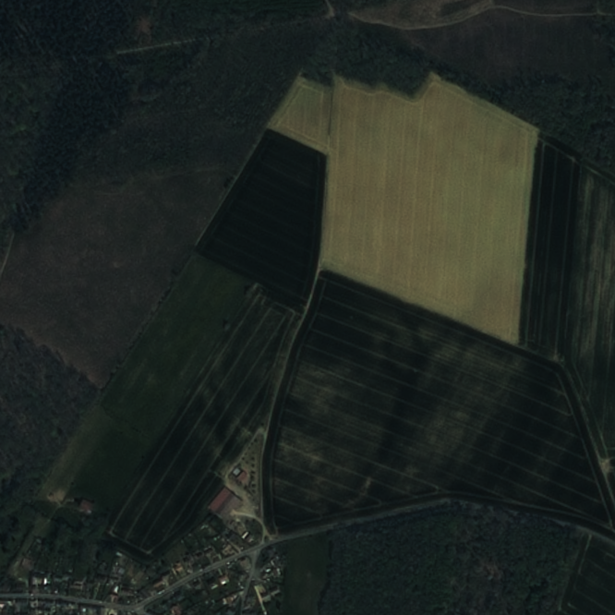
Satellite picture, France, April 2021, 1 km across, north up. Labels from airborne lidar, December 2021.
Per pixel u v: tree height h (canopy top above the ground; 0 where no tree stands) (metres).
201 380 0
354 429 0
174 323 0
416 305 0
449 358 0
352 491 0
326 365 0
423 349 0
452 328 0
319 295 0
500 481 0
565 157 0
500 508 0
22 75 25
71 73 28
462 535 18
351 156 0
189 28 29
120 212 0
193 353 0
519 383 0
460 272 0
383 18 0
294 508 0
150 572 12
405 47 0
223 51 17
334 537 16
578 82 0
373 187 0
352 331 0
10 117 25
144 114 15
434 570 23
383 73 27
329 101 0
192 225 0
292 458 0
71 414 28
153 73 9
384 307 0
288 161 0
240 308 0
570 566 22
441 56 0
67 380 31
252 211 0
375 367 0
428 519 19
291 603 0
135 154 17
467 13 0
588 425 0
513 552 24
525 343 0
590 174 0
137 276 0
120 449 0
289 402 0
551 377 0
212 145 17
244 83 16
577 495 0
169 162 16
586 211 0
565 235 0
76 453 0
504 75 0
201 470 0
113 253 0
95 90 31
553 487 0
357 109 0
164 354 0
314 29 19
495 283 0
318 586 0
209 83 18
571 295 0
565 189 0
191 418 0
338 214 0
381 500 0
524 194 0
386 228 0
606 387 0
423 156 0
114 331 0
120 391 0
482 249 0
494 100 14
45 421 28
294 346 0
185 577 0
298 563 0
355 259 0
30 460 27
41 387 30
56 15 32
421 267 0
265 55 18
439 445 0
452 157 0
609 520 0
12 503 22
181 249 0
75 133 27
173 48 7
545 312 0
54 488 0
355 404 0
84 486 0
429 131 0
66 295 0
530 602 13
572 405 0
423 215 0
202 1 10
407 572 23
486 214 0
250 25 16
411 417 0
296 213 0
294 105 0
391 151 0
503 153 0
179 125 18
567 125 14
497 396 0
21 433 31
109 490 0
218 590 0
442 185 0
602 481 0
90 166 16
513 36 0
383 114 0
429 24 0
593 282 0
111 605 0
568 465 0
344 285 0
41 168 29
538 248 0
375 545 22
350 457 0
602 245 0
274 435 0
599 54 0
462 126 0
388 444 0
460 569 22
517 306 0
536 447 0
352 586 21
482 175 0
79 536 14
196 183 0
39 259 0
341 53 30
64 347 0
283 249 0
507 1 0
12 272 0
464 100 0
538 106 18
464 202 0
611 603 0
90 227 0
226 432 0
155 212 0
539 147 0
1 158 30
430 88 0
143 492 0
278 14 8
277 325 0
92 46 29
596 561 0
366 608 24
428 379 0
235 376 0
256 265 0
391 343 0
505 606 21
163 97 18
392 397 0
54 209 0
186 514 0
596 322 0
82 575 0
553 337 0
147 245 0
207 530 0
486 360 0
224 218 0
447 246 0
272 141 0
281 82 15
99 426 0
